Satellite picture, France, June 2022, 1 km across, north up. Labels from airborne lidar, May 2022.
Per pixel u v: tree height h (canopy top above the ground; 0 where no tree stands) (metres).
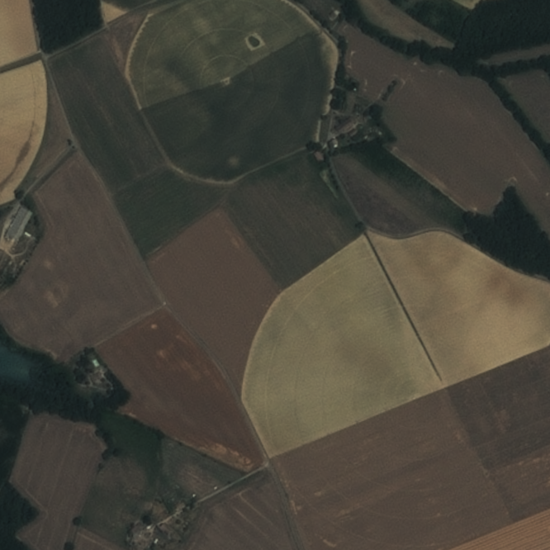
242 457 0
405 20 0
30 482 0
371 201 0
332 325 0
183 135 0
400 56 0
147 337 0
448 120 0
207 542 0
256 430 0
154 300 0
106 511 0
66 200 0
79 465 0
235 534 0
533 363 0
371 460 0
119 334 0
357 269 0
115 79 0
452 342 0
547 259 15
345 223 0
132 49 0
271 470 0
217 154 0
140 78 0
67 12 18
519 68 19
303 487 0
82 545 0
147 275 0
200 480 0
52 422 0
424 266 0
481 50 18
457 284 0
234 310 0
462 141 0
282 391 0
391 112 0
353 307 0
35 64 0
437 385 0
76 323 0
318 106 0
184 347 0
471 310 0
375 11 0
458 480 0
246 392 0
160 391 0
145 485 0
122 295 0
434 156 0
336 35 0
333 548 0
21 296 0
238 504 0
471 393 0
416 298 0
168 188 0
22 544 11
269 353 0
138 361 0
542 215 0
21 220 0
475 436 0
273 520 0
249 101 0
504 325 0
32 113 0
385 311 0
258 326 0
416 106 0
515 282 0
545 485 0
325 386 0
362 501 0
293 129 0
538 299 0
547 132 0
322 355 0
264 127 0
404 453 0
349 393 0
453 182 0
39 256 0
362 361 0
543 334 0
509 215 20
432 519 0
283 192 0
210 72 0
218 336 0
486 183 0
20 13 0
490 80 15
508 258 17
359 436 0
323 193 0
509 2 14
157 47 0
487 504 0
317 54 0
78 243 0
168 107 0
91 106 0
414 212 0
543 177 0
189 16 0
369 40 0
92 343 0
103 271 0
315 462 0
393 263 0
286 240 0
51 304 0
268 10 0
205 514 0
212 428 0
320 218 0
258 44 0
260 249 0
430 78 0
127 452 0
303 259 0
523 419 0
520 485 0
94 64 0
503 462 0
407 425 0
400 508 0
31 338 0
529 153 0
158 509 0
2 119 0
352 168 0
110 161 0
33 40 0
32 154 0
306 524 0
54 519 0
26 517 9
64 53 0
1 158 0
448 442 0
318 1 0
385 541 0
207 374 0
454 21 10
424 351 0
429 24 10
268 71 0
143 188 0
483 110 0
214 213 0
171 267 0
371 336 0
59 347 0
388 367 0
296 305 0
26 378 0
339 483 0
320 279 0
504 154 0
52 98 0
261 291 0
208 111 0
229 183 0
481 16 13
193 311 0
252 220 0
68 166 0
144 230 0
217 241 0
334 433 0
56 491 0
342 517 0
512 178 0
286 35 0
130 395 14
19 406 0
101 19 10
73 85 0
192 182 0
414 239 0
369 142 11
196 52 0
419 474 0
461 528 0
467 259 0
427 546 0
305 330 0
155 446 0
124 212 0
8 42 0
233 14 0
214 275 0
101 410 12
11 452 0
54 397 7
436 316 0
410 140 0
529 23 19
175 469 0
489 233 20
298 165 0
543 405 0
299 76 0
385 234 0
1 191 0
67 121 0
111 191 0
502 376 0
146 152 0
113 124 0
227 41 0
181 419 0
